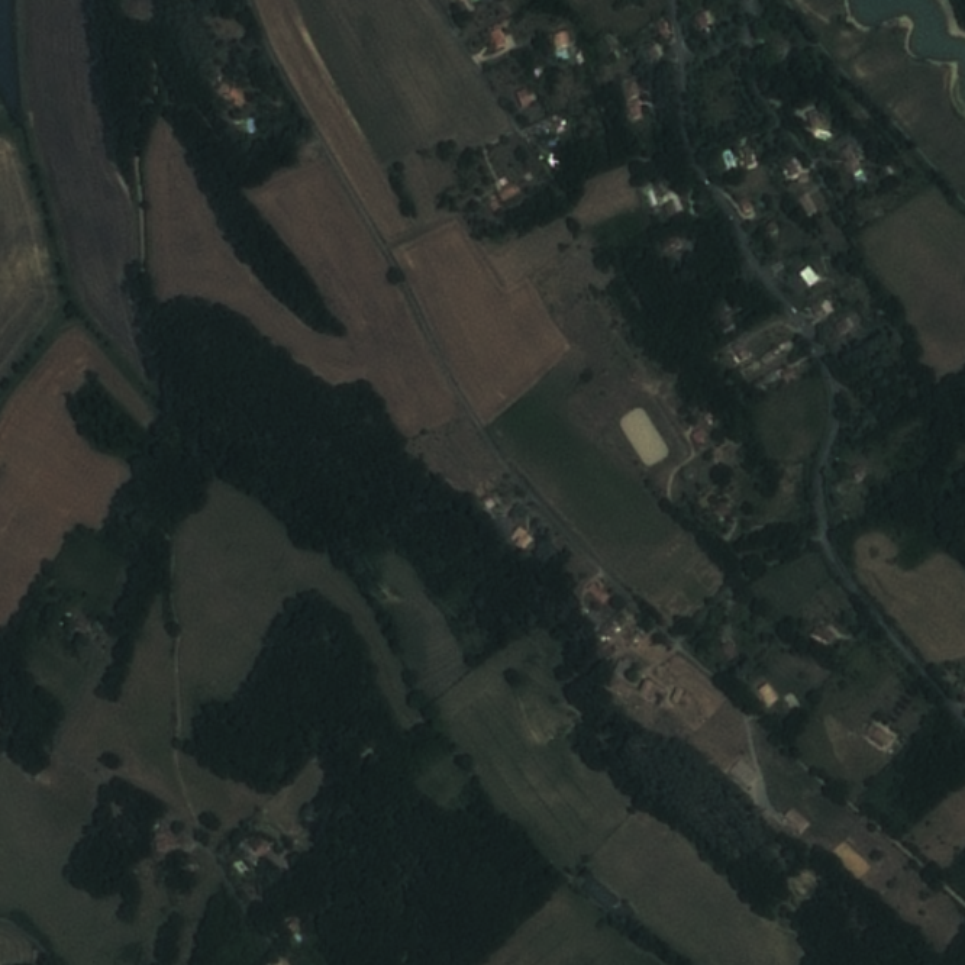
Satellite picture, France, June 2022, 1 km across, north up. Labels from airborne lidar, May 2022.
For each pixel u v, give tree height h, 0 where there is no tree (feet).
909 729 0
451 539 52
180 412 92
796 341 40
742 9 50
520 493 18
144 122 49
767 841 53
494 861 62
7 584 0
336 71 0
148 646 0
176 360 53
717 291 52
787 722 43
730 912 0
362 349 0
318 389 43
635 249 35
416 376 0
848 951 48
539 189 25
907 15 0
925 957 50
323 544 60
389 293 0
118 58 64
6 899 0
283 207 0
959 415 49
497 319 0
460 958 49
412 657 0
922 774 35
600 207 0
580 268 0
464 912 57
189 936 0
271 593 0
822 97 59
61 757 0
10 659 60
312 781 0
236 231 67
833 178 47
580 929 0
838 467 55
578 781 0
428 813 81
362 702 68
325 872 66
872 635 32
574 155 38
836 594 0
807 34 71
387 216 0
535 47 31
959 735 33
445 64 0
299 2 0
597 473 0
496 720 0
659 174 71
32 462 0
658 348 31
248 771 58
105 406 58
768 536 52
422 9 0
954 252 0
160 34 44
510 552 52
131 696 0
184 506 55
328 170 0
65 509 0
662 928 0
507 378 0
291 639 51
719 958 0
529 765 0
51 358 0
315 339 0
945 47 0
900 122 0
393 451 55
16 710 67
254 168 52
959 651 0
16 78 0
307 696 63
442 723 43
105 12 56
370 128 0
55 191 0
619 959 0
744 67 34
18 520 0
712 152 42
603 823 0
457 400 0
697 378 33
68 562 0
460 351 0
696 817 73
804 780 0
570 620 65
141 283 61
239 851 27
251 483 22
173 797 0
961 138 0
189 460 77
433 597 20
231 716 60
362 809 70
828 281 0
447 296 0
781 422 0
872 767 0
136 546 31
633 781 61
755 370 0
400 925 64
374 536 19
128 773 0
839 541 61
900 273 0
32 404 0
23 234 0
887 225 0
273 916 46
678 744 53
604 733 51
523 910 44
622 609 26
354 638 69
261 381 60
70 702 0
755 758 0
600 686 49
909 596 0
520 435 0
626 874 0
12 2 0
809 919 47
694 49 49
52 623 53
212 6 67
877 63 0
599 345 0
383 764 72
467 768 64
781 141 41
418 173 0
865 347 64
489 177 22
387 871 66
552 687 0
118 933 0
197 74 58
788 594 0
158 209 0
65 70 0
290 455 34
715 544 50
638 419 0
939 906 0
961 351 0
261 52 51
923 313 0
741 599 40
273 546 0
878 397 44
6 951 0
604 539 0
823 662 43
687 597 0
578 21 32
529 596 65
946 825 0
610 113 30
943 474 45
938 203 0
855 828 0
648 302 51
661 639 39
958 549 56
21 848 0
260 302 0
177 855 28
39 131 0
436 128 0
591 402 0
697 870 0
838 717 0
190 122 40
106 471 0
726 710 0
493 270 0
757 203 19
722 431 22
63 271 34
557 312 0
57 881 0
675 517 29
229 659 0
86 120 0
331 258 0
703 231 47
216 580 0
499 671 0
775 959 0
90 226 0
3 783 0
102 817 51
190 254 0
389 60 0
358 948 61
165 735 0
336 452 73
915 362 35
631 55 18
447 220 0
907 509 59
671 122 57
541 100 24
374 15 0
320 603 69
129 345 0
